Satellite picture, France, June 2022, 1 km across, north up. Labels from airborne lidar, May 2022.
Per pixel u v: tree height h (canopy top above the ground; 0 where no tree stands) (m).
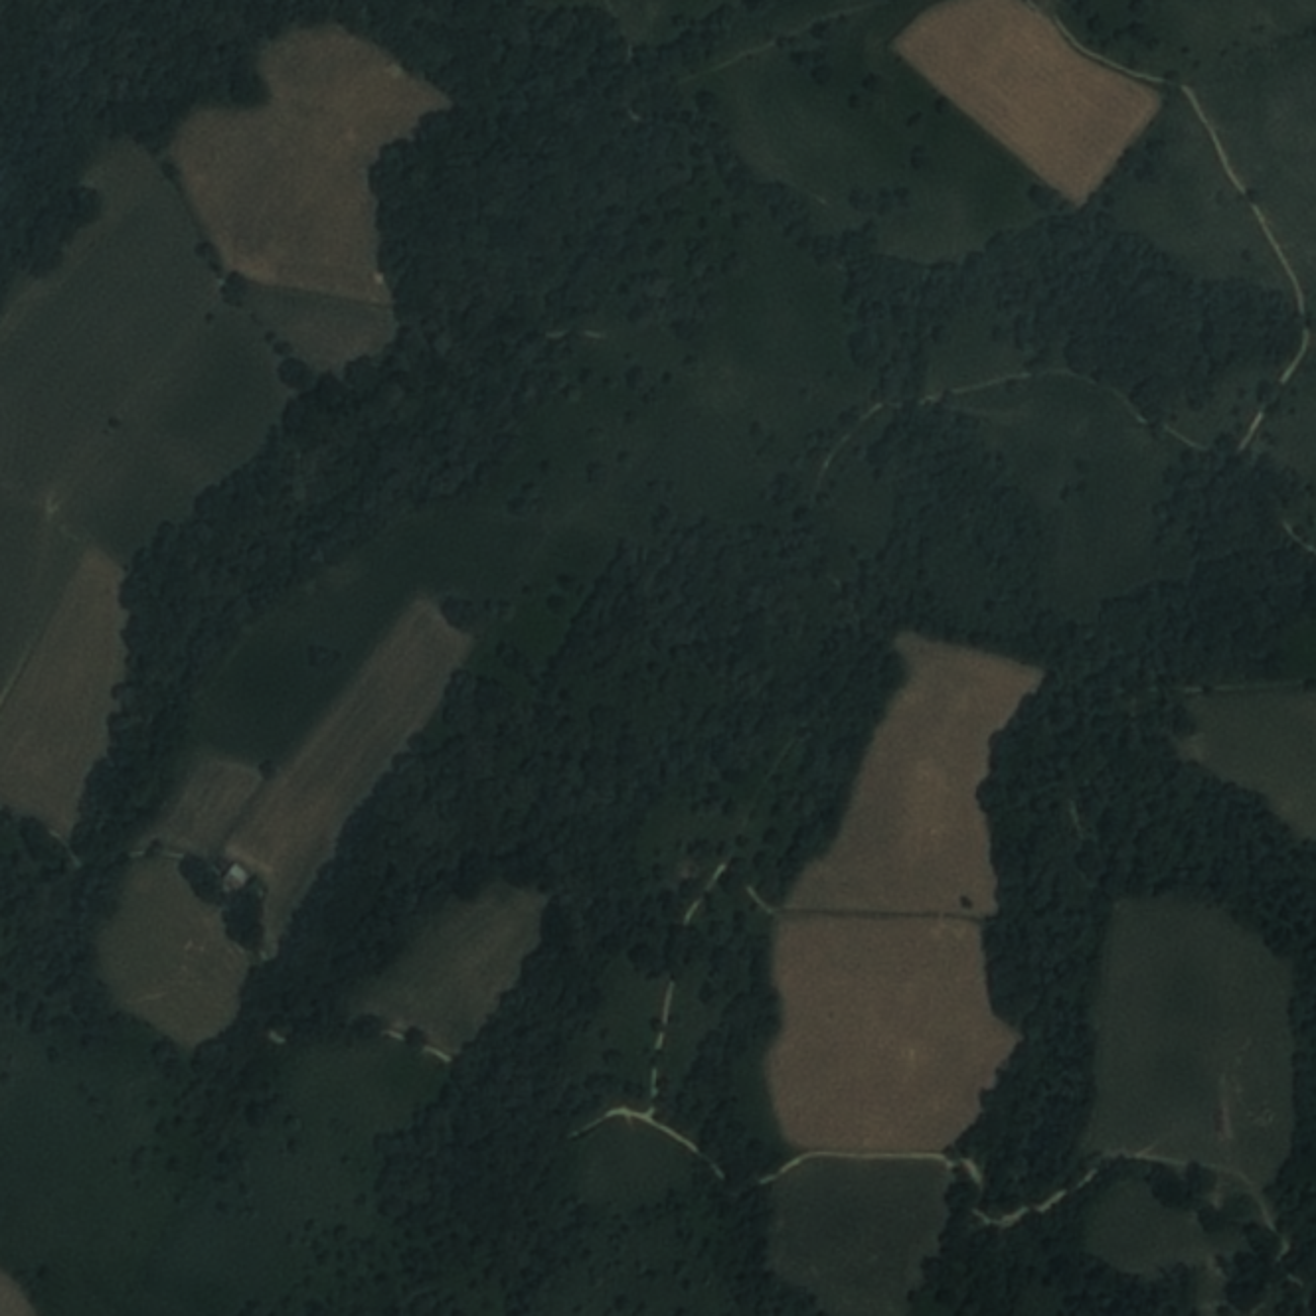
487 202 25
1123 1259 0
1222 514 19
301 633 0
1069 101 0
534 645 0
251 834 0
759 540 16
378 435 16
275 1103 9
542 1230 14
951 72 0
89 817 15
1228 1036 0
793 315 0
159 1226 0
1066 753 12
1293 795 0
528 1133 18
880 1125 0
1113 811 15
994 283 15
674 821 0
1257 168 0
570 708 6
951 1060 0
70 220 17
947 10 0
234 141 0
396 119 0
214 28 16
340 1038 13
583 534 0
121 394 0
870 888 0
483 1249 10
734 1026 10
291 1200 0
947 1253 9
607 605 16
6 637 0
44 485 0
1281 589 23
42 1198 0
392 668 0
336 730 0
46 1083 0
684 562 17
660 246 15
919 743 0
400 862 22
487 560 0
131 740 22
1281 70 0
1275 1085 0
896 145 0
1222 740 0
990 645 8
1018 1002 27
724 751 23
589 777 12
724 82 0
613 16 6
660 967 10
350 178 0
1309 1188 18
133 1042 0
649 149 18
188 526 11
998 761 20
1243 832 20
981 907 0
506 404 17
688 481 0
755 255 0
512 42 23
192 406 0
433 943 0
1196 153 0
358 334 0
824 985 0
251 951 11
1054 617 15
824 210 0
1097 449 0
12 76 21
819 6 0
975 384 0
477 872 23
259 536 10
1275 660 17
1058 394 0
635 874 9
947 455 14
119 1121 0
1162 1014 0
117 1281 0
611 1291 0
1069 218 9
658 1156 0
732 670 17
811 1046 0
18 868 17
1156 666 14
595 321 8
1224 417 0
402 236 14
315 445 21
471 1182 20
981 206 0
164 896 0
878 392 9
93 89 18
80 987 18
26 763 0
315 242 0
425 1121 9
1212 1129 0
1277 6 0
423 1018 0
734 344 0
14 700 0
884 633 11
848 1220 0
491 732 14
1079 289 19
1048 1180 18
